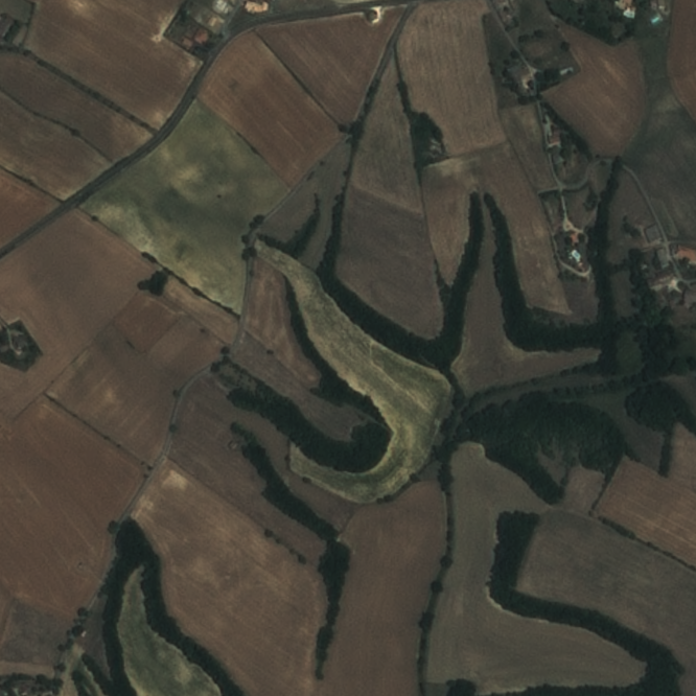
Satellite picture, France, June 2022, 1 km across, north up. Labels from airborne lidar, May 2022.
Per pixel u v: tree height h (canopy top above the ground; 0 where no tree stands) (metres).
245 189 0
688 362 6
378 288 0
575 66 0
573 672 0
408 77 0
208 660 10
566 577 0
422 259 0
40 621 0
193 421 0
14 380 0
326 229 0
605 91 0
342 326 0
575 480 0
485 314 0
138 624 0
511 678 0
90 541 0
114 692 9
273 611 0
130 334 0
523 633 0
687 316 0
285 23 0
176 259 0
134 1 0
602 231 18
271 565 0
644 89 0
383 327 11
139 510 0
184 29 0
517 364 0
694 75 0
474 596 0
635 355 0
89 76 0
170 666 0
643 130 0
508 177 0
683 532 0
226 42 0
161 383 0
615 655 0
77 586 0
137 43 0
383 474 0
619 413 0
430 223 0
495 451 9
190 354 0
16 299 0
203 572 0
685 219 0
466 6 0
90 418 0
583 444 6
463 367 0
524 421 11
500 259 14
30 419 0
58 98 0
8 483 0
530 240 0
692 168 0
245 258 12
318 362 13
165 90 0
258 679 0
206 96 0
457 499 0
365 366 0
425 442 0
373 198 0
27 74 0
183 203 0
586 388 6
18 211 0
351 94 0
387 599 0
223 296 0
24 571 0
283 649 0
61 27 0
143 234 0
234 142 0
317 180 0
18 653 0
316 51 0
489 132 0
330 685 0
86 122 0
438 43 0
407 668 0
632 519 0
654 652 10
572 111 0
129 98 0
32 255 0
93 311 0
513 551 16
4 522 0
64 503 0
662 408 14
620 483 0
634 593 0
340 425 0
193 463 0
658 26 0
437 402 0
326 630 11
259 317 0
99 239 0
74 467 0
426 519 0
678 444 0
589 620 11
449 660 0
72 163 0
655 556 0
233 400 12
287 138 0
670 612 0
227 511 0
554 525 0
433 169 0
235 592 0
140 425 0
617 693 11
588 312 0
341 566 15
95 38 0
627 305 0
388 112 0
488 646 0
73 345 0
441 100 0
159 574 7
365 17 0
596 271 12
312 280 0
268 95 0
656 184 0
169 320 0
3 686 7
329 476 0
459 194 0
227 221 0
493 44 0
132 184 0
